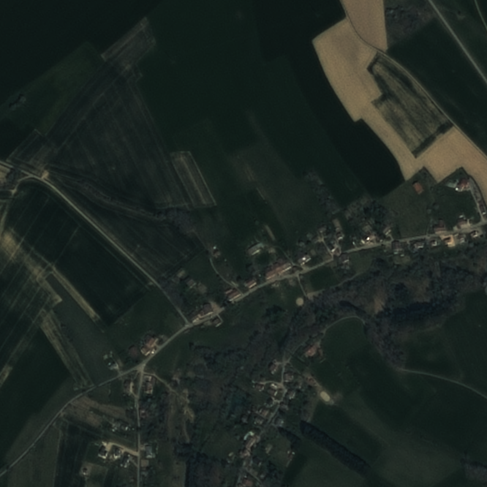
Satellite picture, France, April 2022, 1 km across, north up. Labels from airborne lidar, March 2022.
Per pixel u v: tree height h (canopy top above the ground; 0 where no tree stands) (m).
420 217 0
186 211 0
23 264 0
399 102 0
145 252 0
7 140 0
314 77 0
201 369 6
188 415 0
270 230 0
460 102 0
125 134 0
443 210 0
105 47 0
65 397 0
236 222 0
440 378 0
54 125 0
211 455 0
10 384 0
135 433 0
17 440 0
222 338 0
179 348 0
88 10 0
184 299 17
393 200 0
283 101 0
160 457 0
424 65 0
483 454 0
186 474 0
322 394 0
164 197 0
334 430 0
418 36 0
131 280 0
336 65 0
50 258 0
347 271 6
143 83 0
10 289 0
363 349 0
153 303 0
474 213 0
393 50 0
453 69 0
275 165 0
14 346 0
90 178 0
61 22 0
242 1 0
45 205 0
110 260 0
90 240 0
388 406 0
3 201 0
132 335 0
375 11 0
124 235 0
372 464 0
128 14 0
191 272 0
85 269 0
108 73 0
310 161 0
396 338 22
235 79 0
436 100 0
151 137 0
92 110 0
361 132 0
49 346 0
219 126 0
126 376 0
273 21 0
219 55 0
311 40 0
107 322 0
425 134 0
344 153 0
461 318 0
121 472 0
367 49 0
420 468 0
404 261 0
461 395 0
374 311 0
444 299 18
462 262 0
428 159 0
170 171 0
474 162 0
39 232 0
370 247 0
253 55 0
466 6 0
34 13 0
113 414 0
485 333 0
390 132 0
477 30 0
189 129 0
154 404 15
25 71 0
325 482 0
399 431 0
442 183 0
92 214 0
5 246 0
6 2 0
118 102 0
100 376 0
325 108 0
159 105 0
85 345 0
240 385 0
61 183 0
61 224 0
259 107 0
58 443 0
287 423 0
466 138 0
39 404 0
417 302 0
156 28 0
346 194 0
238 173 0
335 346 0
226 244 0
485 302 0
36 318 0
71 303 0
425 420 0
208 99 0
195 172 0
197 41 0
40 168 0
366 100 0
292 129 0
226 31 0
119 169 0
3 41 0
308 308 17
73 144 0
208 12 0
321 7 0
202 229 0
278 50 0
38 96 0
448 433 0
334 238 10
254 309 0
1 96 0
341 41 0
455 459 0
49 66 0
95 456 0
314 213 0
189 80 0
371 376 0
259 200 0
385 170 0
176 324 0
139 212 10
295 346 22
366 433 0
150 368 0
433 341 0
